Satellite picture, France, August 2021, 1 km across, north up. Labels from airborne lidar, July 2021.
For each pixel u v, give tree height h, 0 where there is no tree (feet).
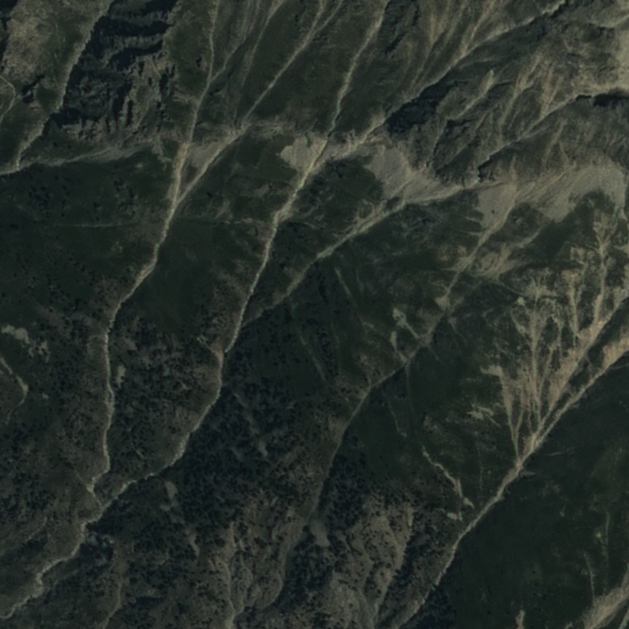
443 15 0
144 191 0
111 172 0
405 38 0
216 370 0
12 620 0
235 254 0
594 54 0
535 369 0
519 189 0
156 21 0
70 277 0
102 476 0
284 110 0
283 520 23
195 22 0
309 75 0
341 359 0
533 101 0
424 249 0
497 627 0
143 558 25
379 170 0
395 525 32
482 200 0
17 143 0
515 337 0
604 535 0
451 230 0
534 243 0
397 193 0
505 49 0
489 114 0
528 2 0
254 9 0
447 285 0
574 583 0
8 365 0
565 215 0
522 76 0
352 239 0
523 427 0
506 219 0
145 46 0
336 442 0
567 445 0
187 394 31
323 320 0
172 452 0
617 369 0
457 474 0
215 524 54
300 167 0
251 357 28
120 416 28
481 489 0
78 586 26
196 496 44
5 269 0
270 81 0
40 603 0
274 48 0
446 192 0
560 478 0
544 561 0
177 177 0
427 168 0
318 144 0
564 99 0
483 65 0
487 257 0
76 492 0
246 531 27
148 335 38
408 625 0
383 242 0
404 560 0
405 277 0
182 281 0
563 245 0
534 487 0
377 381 0
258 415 36
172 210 0
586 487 0
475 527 0
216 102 0
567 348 0
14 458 31
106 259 0
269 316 22
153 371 35
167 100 0
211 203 0
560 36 0
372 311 0
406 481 0
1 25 0
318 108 0
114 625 0
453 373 0
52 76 0
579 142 0
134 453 21
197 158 0
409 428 0
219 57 0
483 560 0
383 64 0
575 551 0
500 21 0
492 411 0
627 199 0
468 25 0
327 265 0
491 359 0
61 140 0
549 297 0
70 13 0
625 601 0
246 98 0
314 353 0
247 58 0
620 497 0
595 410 0
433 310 0
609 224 0
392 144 0
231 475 27
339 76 0
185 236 0
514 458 0
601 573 0
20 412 0
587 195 0
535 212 0
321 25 0
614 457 0
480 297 0
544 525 0
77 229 0
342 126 0
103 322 0
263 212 0
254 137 0
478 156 0
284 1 0
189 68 0
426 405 0
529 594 0
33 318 0
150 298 0
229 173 0
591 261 0
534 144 0
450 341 0
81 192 0
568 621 0
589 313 0
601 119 0
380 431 0
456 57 0
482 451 0
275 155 0
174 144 0
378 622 0
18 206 0
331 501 22
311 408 24
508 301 0
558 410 0
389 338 0
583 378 0
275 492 20
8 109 0
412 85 0
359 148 0
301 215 0
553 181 0
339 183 0
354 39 0
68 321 23
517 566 0
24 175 0
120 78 0
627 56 0
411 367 0
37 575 0
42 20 0
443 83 0
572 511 0
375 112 0
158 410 19
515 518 0
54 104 0
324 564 31
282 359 25
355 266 0
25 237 0
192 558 25
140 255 0
